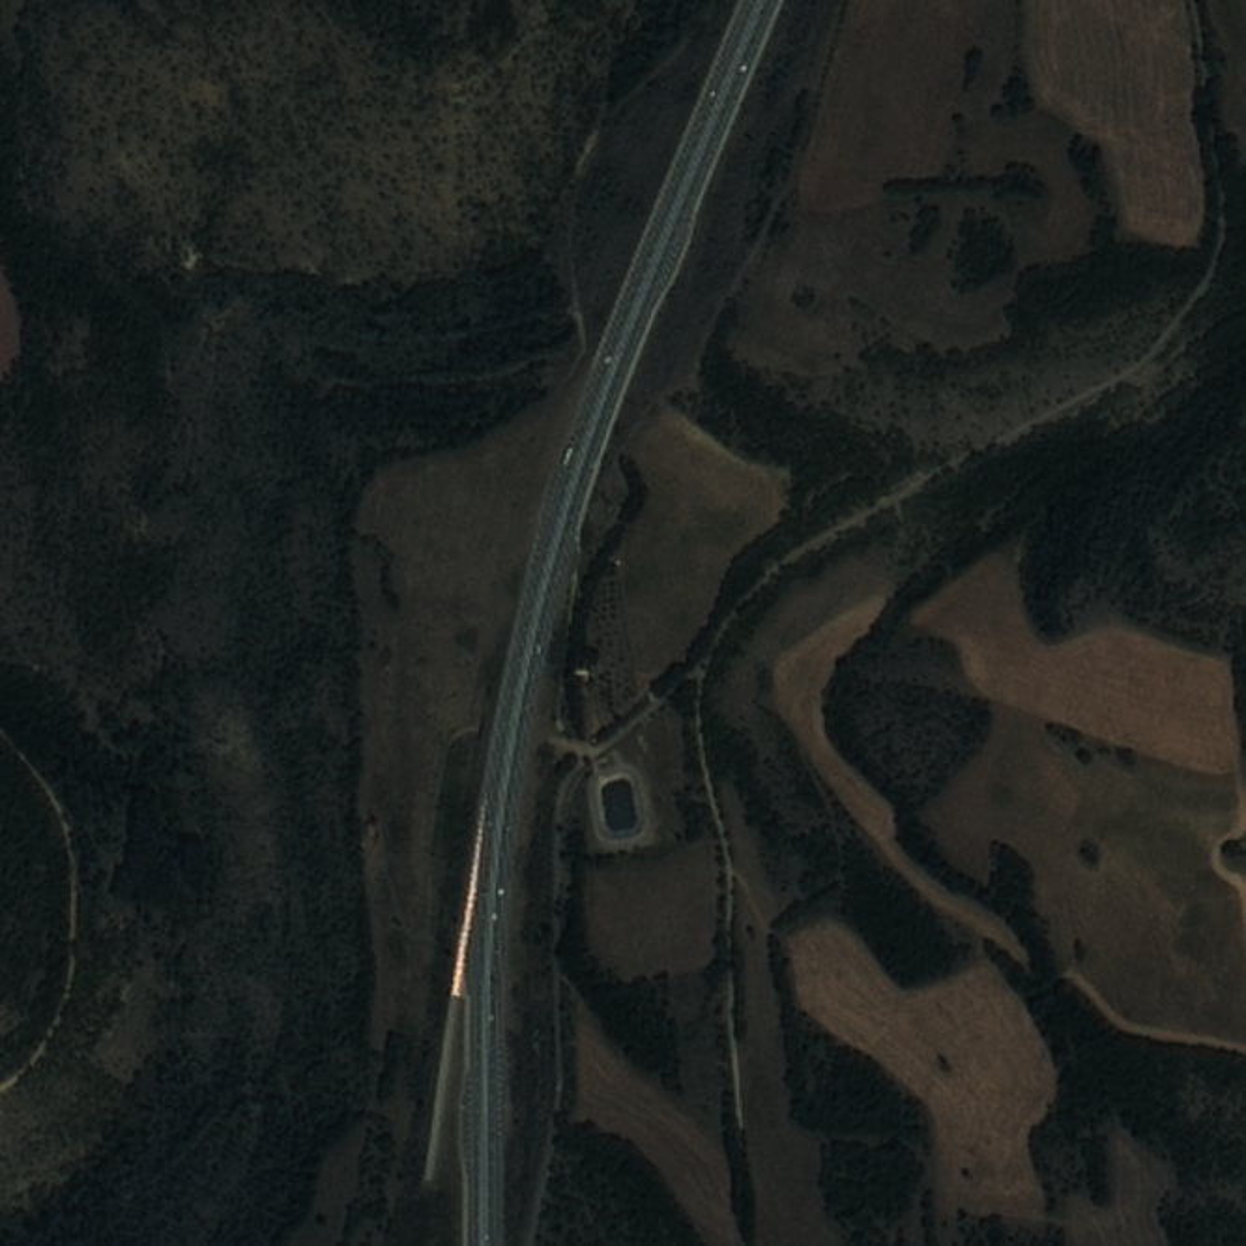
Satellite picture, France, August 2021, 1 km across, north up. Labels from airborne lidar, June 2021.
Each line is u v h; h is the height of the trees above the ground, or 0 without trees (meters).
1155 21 0
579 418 0
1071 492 12
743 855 0
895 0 0
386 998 0
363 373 7
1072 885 0
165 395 6
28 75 8
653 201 0
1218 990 0
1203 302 9
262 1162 7
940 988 0
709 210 0
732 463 0
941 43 0
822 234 0
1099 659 0
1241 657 7
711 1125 0
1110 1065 12
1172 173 0
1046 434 9
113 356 6
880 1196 9
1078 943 7
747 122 0
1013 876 6
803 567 10
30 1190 7
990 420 0
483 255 9
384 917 0
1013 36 0
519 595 0
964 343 0
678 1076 7
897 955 13
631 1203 9
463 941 0
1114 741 0
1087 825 0
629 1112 0
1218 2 0
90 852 14
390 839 0
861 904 9
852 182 0
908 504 7
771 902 0
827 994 0
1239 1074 9
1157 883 0
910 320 0
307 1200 7
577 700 11
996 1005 0
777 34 0
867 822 0
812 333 0
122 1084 7
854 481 8
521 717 0
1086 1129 6
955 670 0
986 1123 0
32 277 7
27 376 9
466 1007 0
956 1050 0
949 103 0
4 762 10
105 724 10
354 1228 7
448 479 0
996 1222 8
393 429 6
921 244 6
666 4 6
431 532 0
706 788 5
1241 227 8
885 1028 0
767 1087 0
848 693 6
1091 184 9
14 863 13
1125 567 6
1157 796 0
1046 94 0
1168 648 0
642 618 0
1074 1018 14
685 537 0
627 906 0
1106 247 7
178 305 10
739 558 8
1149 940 0
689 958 0
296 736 6
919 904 9
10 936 8
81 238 6
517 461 0
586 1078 0
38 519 6
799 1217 0
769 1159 0
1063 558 8
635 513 10
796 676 0
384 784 0
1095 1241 0
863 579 0
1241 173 8
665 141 0
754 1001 0
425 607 0
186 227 5
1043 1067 0
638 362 0
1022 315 7
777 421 6
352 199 0
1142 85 0
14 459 8
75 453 6
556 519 0
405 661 0
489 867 0
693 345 0
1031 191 7
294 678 6
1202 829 0
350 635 6
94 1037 7
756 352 0
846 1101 9
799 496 9
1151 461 6
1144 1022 0
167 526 0
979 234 6
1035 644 0
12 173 10
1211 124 11
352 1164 0
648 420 0
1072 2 0
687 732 8
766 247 0
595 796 0
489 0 6
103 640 6
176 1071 6
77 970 6
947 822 0
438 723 0
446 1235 0
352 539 7
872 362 6
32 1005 6
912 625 0
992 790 0
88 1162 9
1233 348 9
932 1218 8
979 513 6
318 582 6
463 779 0
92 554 7
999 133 0
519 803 0
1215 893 0
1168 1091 9
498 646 0
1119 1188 0
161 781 8
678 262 0
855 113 0
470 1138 0
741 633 6
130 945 6
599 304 0
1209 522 6
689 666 10
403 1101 0
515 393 8
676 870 0
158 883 23
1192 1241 7
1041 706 0
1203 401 9
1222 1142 5
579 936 9
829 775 0
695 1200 0
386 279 8
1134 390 7
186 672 5
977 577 0
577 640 10
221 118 8
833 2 0
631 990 9
